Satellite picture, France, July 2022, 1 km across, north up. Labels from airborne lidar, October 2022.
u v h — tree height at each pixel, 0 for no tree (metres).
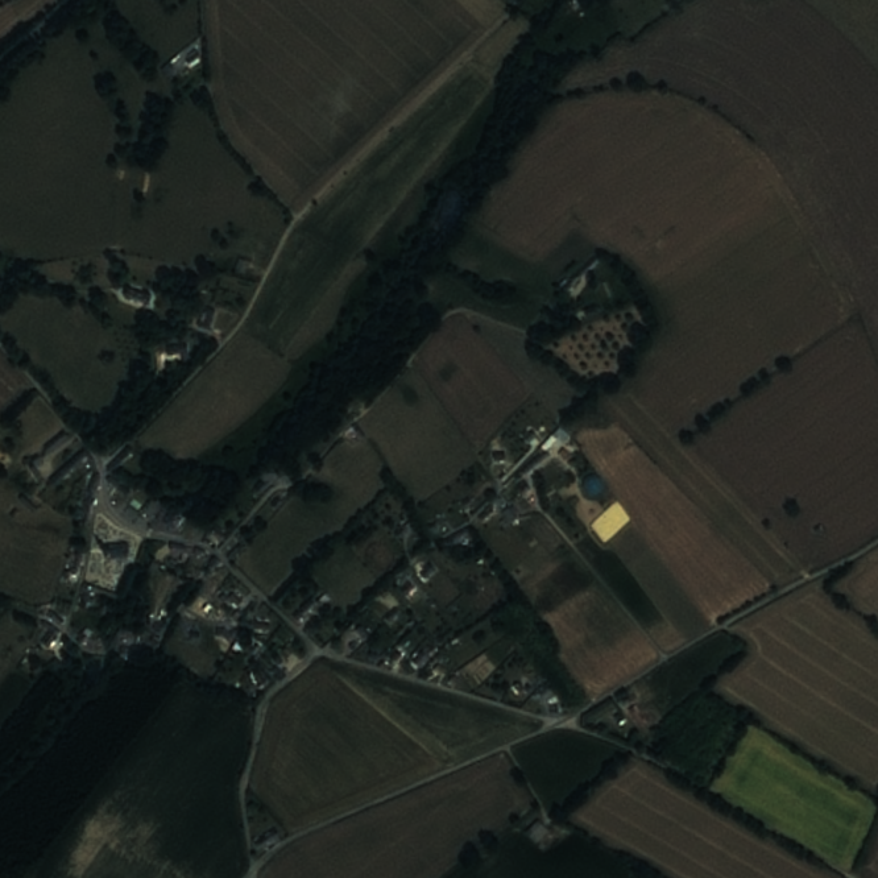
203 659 0
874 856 0
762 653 0
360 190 0
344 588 0
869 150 0
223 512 22
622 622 0
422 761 0
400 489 8
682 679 0
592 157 0
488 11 0
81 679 11
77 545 16
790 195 0
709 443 0
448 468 0
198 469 23
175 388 10
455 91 0
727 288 0
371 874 0
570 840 0
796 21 0
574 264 7
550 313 8
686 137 0
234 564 11
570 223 0
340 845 0
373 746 0
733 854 0
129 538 0
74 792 14
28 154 0
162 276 20
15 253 0
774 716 0
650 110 0
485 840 20
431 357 0
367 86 0
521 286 0
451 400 0
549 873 0
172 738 0
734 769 0
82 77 0
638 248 0
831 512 0
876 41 0
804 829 0
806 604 0
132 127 10
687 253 0
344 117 0
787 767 0
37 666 7
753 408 0
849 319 0
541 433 0
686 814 0
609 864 0
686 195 0
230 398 0
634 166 0
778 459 0
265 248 0
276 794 0
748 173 0
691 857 0
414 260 14
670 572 0
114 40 19
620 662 0
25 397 12
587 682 0
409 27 0
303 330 0
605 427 0
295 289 0
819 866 8
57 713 7
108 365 19
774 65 0
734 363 0
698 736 7
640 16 0
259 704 8
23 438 0
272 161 0
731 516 0
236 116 0
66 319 0
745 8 0
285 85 0
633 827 0
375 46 0
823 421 0
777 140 0
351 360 14
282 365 0
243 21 0
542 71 17
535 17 7
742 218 0
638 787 0
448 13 0
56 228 0
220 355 0
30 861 11
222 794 0
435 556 0
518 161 0
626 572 0
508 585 14
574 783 0
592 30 0
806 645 0
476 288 10
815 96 0
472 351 0
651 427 0
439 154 0
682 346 0
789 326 0
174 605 10
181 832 0
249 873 0
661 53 0
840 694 0
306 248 0
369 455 0
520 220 0
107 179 0
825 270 0
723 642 0
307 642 0
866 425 0
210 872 0
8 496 0
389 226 0
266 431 7
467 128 0
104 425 23
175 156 0
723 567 0
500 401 0
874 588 0
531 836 0
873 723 0
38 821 11
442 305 0
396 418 0
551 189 0
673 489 0
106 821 0
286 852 0
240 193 0
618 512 0
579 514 0
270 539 0
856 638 0
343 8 0
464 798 0
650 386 0
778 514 0
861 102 0
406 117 0
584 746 0
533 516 0
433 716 0
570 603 0
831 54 0
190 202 0
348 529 6
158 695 10
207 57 10
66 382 0
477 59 0
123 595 15
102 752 13
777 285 0
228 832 0
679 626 0
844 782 6
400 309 19
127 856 0
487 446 0
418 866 0
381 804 0
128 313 0
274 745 0
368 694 0
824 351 0
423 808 0
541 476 12
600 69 0
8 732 12
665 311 0
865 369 0
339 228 0
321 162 0
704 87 0
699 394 0
